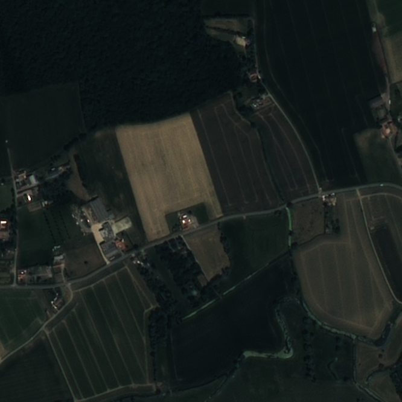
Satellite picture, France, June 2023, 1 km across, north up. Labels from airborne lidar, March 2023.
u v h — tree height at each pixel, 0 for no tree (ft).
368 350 0
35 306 0
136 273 0
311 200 0
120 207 0
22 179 0
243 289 0
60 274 0
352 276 0
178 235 0
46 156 0
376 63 0
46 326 0
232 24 0
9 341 0
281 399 0
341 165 0
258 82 47
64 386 0
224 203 0
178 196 0
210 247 0
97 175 0
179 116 0
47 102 0
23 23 86
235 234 0
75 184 0
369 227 0
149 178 0
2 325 0
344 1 0
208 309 0
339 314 0
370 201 0
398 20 0
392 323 0
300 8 0
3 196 0
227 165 0
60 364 0
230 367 0
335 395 0
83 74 66
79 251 0
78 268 0
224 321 0
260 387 0
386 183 0
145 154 0
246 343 0
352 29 0
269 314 0
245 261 0
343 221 0
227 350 0
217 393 0
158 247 32
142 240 0
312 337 30
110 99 69
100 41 69
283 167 0
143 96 70
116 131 0
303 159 0
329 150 0
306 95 0
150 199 0
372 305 0
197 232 0
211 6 0
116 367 0
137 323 0
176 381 0
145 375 0
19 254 0
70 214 0
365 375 0
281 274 0
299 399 0
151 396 0
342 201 0
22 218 0
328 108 0
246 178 0
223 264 0
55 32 72
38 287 0
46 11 79
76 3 73
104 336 0
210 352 0
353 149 0
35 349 0
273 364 0
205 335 0
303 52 0
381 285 0
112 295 0
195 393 0
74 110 0
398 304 0
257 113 0
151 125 0
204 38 59
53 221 0
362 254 0
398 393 30
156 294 23
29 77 64
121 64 76
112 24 81
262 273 0
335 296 0
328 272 0
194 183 0
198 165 0
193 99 56
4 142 0
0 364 0
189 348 0
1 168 0
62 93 0
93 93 63
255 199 0
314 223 0
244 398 0
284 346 0
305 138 0
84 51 74
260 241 0
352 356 0
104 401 0
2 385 0
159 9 71
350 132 0
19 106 0
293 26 0
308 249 0
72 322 0
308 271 0
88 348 0
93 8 81
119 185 0
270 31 0
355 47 0
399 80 0
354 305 0
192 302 35
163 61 83
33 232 0
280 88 0
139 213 0
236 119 0
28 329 0
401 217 0
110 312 0
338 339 46
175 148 0
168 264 34
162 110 59
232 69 71
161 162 0
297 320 0
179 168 0
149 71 80
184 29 50
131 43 66
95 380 0
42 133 0
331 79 0
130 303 0
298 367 0
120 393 0
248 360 0
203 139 0
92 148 0
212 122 0
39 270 0
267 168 0
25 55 81
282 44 0
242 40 0
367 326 0
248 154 0
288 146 0
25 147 0
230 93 0
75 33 76
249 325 0
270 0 0
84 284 0
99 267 0
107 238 0
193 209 0
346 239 0
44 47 77
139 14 63
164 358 0
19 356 0
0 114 0
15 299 0
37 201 0
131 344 0
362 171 0
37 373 0
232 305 0
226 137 0
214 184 0
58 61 69
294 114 0
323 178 0
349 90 0
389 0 0
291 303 0
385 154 0
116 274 0
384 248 0
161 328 58
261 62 0
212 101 0
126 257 0
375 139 0
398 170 0
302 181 0
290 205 41
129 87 79
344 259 0
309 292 0
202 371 0
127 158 0
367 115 0
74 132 0
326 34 0
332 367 0
